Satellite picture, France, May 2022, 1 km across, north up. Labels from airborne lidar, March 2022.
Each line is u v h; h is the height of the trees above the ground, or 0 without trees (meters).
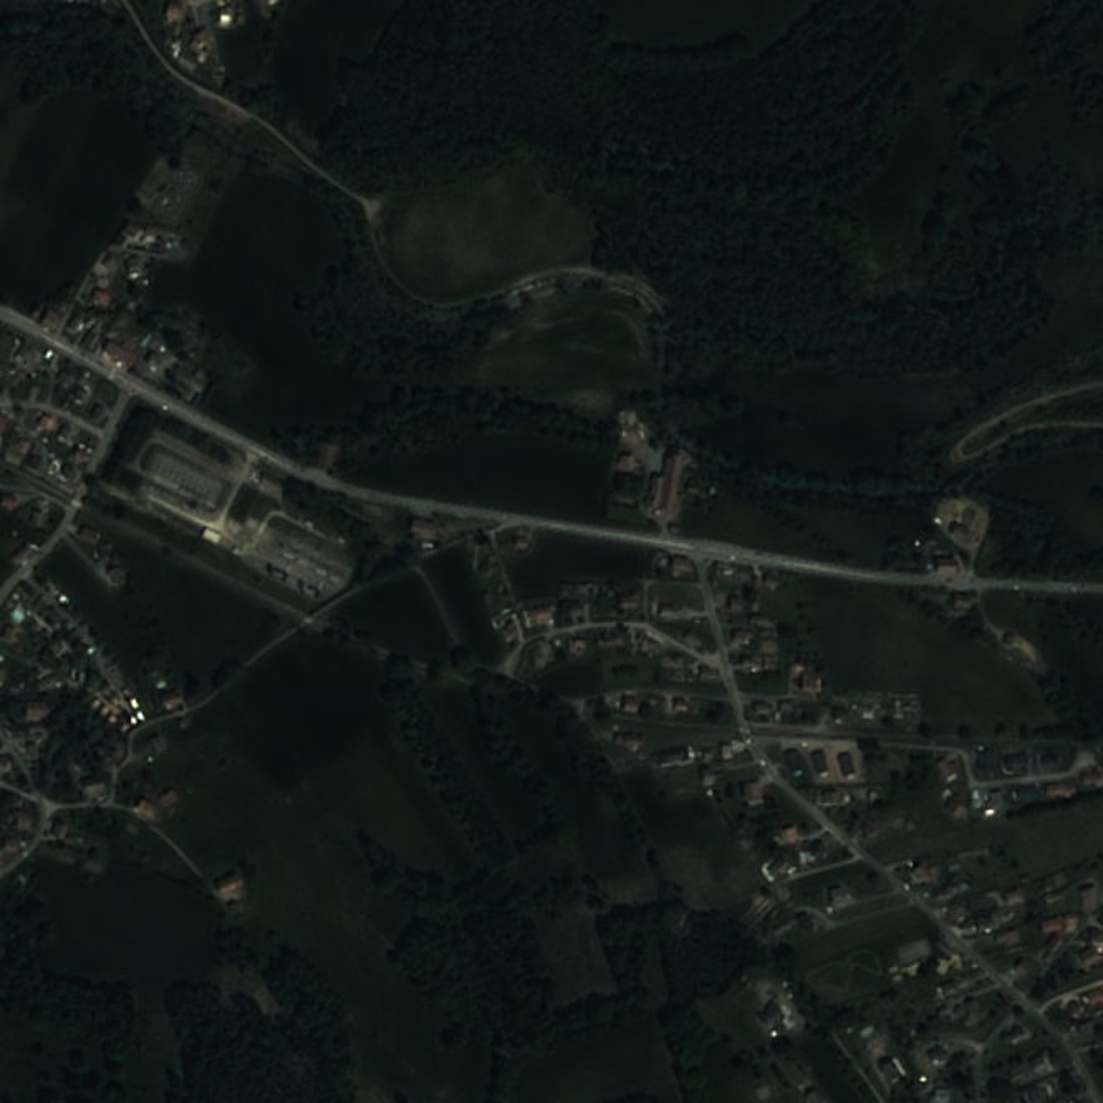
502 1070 16
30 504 0
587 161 14
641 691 0
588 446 16
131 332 0
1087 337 0
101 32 22
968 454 0
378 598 0
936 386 0
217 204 0
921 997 0
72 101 0
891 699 0
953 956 0
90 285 0
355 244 15
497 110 16
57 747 6
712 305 19
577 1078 0
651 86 21
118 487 0
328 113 0
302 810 0
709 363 23
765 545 0
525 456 0
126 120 0
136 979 0
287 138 0
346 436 8
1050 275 0
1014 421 0
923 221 0
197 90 0
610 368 0
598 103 14
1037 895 0
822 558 0
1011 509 14
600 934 9
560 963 0
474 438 0
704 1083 13
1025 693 0
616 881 0
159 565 0
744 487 19
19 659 0
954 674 0
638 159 17
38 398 0
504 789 0
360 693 0
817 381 0
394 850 0
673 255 18
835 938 0
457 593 0
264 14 0
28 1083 0
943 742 0
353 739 0
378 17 0
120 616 0
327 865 0
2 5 0
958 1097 0
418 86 17
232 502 0
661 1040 0
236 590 0
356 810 0
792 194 17
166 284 0
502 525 0
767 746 0
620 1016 17
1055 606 14
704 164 14
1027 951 0
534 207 0
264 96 13
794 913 0
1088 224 21
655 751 0
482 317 18
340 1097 24
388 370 20
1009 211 32
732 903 0
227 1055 24
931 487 8
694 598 0
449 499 0
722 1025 0
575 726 16
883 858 0
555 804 16
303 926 0
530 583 0
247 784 0
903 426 0
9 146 0
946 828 0
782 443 0
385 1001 0
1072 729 8
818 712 0
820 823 0
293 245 0
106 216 0
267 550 0
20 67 16
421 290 0
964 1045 0
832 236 30
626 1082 0
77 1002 29
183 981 0
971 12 0
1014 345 21
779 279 17
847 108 23
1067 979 5
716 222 25
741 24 0
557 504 0
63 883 0
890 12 13
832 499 14
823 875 0
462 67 23
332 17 0
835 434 0
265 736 0
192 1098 16
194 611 0
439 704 0
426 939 22
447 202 0
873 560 0
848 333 15
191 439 9
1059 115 0
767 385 0
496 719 12
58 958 0
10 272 0
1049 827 0
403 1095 0
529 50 16
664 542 0
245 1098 27
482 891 16
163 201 0
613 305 0
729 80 21
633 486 17
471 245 0
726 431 0
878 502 20
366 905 0
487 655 0
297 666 0
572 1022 19
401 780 0
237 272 0
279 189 0
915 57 0
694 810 0
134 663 0
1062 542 14
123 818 0
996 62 0
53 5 7
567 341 0
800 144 16
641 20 0
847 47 10
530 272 0
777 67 13
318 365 0
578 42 18
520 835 0
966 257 17
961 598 0
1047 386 0
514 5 20
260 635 0
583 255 0
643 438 0
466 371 0
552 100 19
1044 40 16
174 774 0
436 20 8
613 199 16
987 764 0
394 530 0
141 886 0
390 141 18
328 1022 26
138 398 0
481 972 11
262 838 0
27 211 0
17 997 19
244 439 0
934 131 0
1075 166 0
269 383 0
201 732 0
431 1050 0
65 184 0
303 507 19
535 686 0
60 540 0
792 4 0
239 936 10
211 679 0
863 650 0
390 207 0
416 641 0
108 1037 22
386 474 0
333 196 17
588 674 0
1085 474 0
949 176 8
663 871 9
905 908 0
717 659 0
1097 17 15
